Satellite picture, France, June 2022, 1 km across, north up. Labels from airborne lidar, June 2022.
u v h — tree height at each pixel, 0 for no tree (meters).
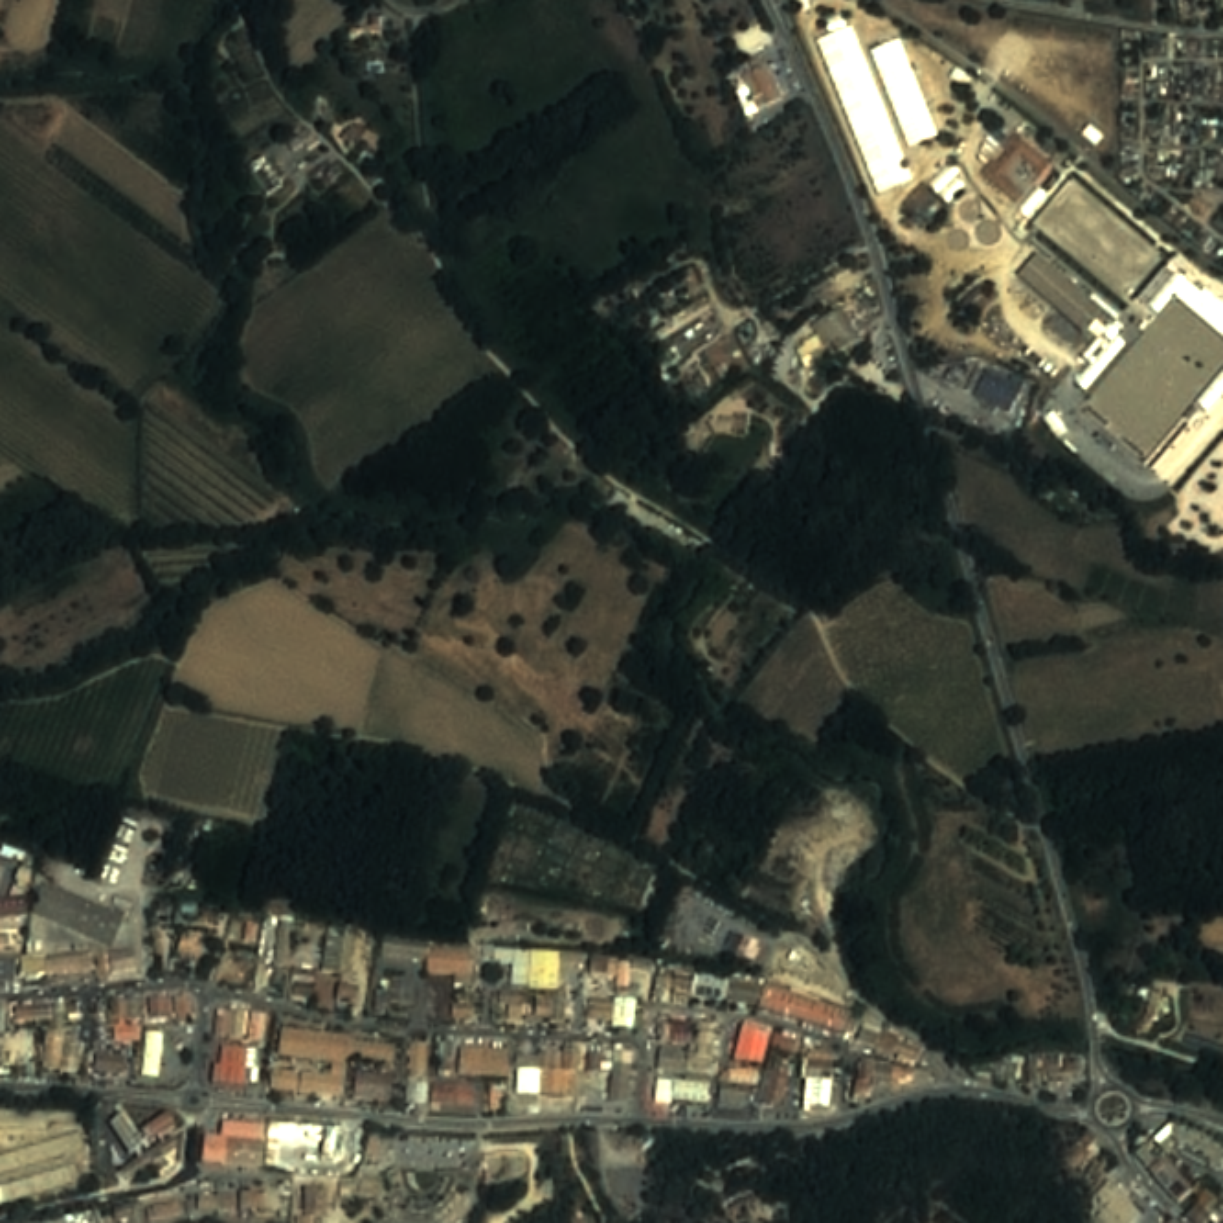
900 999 10
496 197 19
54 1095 11
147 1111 0
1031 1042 7
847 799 0
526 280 6
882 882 10
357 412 0
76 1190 6
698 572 15
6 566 24
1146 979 10
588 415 11
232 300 19
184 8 0
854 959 22
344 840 26
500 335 6
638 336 9
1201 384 0
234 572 16
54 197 0
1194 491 0
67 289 0
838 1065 6
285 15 29
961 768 0
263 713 0
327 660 0
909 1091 0
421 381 0
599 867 0
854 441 14
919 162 0
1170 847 24
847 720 20
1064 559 0
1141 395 0
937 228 9
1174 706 0
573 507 22
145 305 0
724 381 6
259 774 0
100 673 14
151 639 14
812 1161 12
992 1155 6
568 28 0
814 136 0
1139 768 15
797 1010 0
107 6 0
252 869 16
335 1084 0
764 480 18
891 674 0
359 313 0
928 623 0
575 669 0
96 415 0
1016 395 0
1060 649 12
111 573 0
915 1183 9
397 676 0
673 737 13
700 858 14
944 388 0
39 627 6
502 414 12
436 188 16
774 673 0
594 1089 0
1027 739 0
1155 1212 0
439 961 0
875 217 8
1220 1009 0
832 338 0
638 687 10
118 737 0
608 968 0
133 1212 0
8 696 14
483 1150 0
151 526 14
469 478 14
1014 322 0
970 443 10
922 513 19
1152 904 21
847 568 16
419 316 0
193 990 0
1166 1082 7
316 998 7
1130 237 0
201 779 0
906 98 0
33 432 0
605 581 0
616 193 0
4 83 8
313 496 9
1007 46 0
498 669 0
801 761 8
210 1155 0
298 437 10
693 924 0
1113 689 0
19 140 0
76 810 12
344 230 12
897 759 6
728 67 12
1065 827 16
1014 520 0
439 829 16
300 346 0
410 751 15
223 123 13
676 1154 9
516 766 0
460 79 0
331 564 0
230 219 16
